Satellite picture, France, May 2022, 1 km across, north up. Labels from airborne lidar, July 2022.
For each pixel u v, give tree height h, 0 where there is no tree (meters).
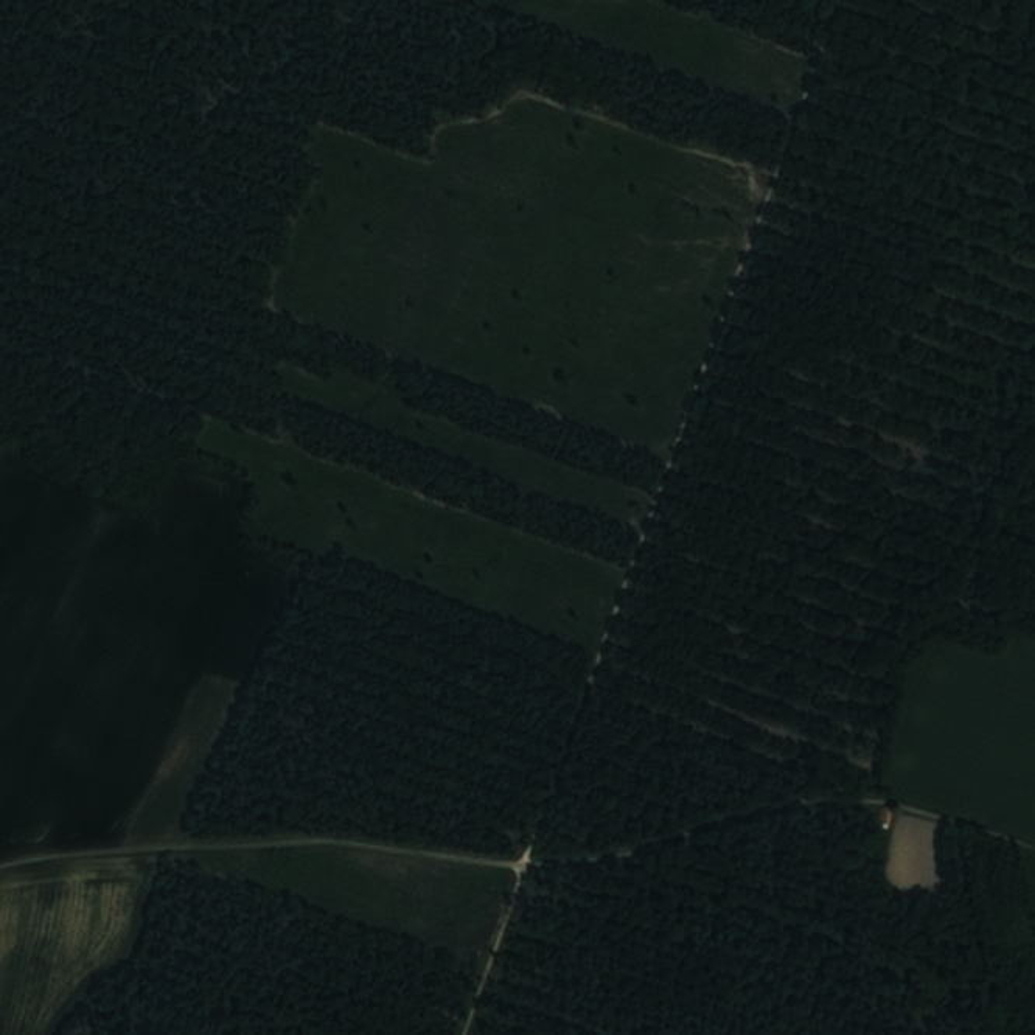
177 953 5
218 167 8
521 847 9
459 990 21
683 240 0
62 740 0
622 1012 29
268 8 23
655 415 0
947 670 0
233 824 21
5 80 18
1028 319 24
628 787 20
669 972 32
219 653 0
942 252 23
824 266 19
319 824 13
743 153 25
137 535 0
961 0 25
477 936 0
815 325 19
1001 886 14
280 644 25
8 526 0
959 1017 29
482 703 21
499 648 25
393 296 0
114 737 0
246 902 26
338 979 23
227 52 30
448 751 21
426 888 0
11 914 0
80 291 22
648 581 19
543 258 0
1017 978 11
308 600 22
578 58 24
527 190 0
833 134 21
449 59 29
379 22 31
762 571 23
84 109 24
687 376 0
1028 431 25
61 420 20
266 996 9
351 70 25
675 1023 28
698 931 30
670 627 21
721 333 18
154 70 24
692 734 21
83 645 0
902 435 23
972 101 18
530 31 22
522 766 17
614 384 0
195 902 17
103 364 26
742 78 0
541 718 25
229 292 25
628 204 0
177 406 26
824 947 27
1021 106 23
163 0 26
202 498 0
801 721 27
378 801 21
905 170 19
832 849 40
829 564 23
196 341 20
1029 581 28
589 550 13
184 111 26
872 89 23
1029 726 0
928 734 0
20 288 23
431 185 0
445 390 30
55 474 19
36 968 0
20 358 22
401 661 23
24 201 23
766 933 35
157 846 0
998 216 20
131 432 21
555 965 16
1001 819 0
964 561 26
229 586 0
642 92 26
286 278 0
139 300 25
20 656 0
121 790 0
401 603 24
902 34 22
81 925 0
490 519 14
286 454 0
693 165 0
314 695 25
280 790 26
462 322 0
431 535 0
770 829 34
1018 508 26
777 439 18
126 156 25
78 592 0
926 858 0
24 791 0
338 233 0
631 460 22
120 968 13
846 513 19
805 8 21
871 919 31
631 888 23
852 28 20
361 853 0
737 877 28
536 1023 22
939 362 23
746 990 37
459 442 0
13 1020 0
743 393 20
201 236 28
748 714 25
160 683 0
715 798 25
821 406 16
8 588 0
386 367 25
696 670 18
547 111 0
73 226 24
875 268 19
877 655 27
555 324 0
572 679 22
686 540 18
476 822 23
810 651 20
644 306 0
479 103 22
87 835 0
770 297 19
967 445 24
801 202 26
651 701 19
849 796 25
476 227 0
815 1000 26
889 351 22
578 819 29
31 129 18
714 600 19
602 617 0
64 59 19
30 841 0
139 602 0
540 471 0
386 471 27
